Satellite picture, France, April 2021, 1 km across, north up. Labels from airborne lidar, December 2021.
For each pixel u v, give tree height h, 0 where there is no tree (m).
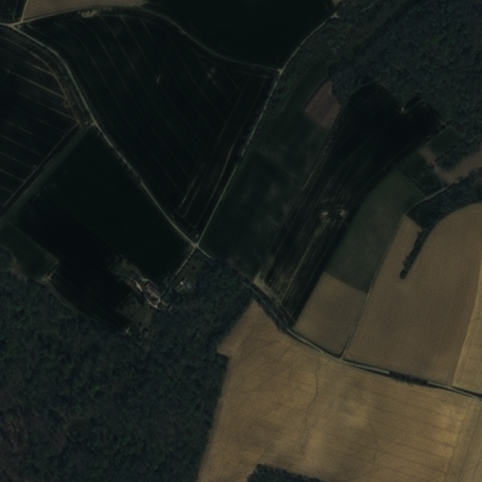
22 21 0
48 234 0
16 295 28
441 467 0
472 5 28
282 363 0
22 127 0
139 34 0
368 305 0
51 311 34
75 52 0
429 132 0
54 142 0
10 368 33
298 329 0
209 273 25
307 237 0
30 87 0
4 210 0
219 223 0
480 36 26
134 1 0
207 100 0
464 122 25
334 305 0
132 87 0
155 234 0
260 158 0
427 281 0
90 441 11
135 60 0
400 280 0
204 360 27
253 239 0
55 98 0
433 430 0
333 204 0
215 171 0
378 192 0
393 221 0
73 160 0
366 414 0
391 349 0
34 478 19
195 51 0
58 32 0
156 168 0
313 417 0
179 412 25
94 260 0
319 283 0
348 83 21
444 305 0
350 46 0
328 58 0
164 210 0
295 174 0
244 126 0
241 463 0
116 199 0
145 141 0
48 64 0
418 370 0
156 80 0
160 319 23
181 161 0
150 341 17
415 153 0
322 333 0
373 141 0
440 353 0
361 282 0
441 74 27
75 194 0
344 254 0
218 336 25
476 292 0
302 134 0
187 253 0
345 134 0
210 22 0
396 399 0
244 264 0
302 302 0
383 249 0
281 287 0
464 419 0
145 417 31
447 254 0
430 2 28
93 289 0
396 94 18
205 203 0
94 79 0
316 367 0
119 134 0
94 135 0
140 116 0
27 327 28
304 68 8
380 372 0
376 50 31
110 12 0
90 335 29
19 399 24
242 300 12
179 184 0
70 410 28
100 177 0
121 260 10
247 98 0
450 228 0
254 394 0
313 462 0
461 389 0
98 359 30
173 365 31
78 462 27
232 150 0
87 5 0
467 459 0
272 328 0
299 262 0
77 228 0
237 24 0
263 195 0
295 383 0
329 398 0
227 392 0
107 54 0
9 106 0
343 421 0
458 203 19
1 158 0
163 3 0
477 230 0
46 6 0
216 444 0
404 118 0
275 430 0
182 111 0
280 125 0
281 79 19
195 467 28
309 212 0
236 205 0
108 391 33
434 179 0
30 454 17
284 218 0
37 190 0
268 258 0
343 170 0
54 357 11
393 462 0
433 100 22
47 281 0
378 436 0
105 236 0
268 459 0
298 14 0
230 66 0
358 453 0
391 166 0
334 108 0
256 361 0
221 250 0
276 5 0
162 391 27
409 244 0
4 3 0
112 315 0
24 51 0
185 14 0
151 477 30
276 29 0
